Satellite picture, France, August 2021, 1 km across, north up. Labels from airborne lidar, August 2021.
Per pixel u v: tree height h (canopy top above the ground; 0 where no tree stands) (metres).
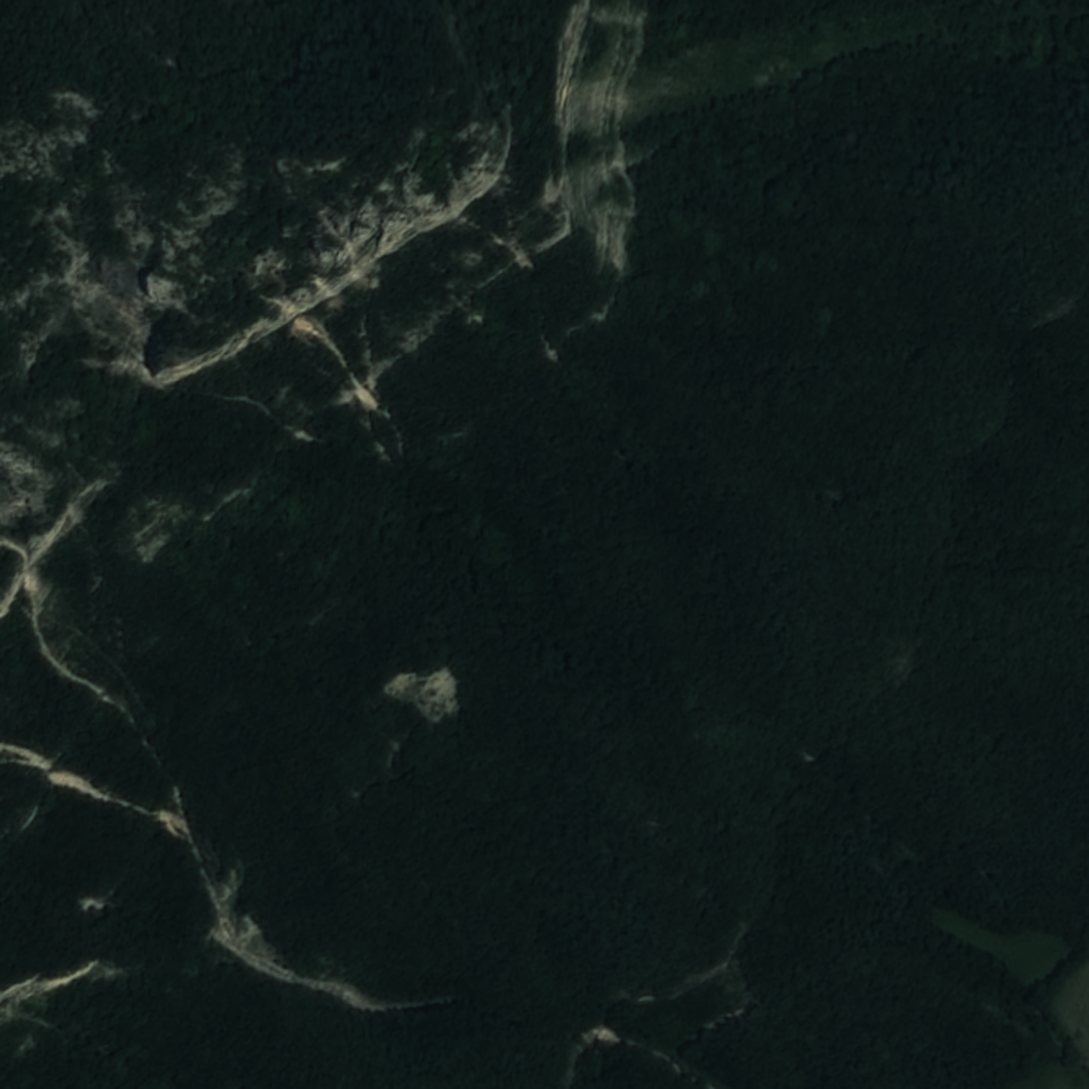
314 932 19
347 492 23
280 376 11
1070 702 24
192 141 22
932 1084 24
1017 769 18
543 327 10
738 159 23
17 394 15
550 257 12
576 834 23
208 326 9
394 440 17
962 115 31
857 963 14
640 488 34
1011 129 37
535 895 31
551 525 26
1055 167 31
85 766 14
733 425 24
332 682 23
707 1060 23
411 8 22
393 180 7
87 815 19
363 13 28
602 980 20
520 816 19
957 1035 17
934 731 20
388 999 13
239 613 18
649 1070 18
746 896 18
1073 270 18
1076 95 21
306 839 22
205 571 18
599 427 25
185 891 19
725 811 18
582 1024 22
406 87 29
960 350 29
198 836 6
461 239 7
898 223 18
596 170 0
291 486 23
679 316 21
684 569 26
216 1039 27
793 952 15
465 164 10
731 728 8
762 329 29
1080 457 17
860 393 19
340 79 28
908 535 25
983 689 24
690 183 24
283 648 22
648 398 22
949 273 24
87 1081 14
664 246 12
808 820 23
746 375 32
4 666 17
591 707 19
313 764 20
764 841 24
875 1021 20
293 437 20
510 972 22
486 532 21
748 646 32
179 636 11
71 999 20
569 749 19
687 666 22
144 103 24
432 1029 27
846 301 19
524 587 21
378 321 8
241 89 28
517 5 19
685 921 16
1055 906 21
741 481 17
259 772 24
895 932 21
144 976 7
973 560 16
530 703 28
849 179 26
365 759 21
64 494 8
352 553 23
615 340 12
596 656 24
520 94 11
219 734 18
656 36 12
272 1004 13
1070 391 20
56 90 6
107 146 20
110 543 10
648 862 17
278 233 9
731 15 14
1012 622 30
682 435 27
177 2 16
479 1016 30
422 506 24
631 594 15
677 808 20
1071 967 20
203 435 9
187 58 26
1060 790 20
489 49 19
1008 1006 7
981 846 21
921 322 20
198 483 17
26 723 17
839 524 25
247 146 12
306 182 7
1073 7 16
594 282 6
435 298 12
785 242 21
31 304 7
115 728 19
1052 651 26
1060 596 19
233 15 13
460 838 25
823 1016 29
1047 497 16
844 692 21
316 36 32
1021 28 18
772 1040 16
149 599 11
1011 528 28
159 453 22
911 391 20
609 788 15
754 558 25
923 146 30
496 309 16
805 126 20
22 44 21
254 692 23
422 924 21
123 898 17
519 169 12
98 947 14
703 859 19
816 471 23
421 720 17
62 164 10
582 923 26
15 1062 13
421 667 23
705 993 6
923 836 15
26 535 22
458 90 16
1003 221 14
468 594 31
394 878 16
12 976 19
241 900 8
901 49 19
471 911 22
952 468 18
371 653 21
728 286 23
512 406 10
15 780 13
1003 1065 20
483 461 20
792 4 19
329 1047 18
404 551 26
